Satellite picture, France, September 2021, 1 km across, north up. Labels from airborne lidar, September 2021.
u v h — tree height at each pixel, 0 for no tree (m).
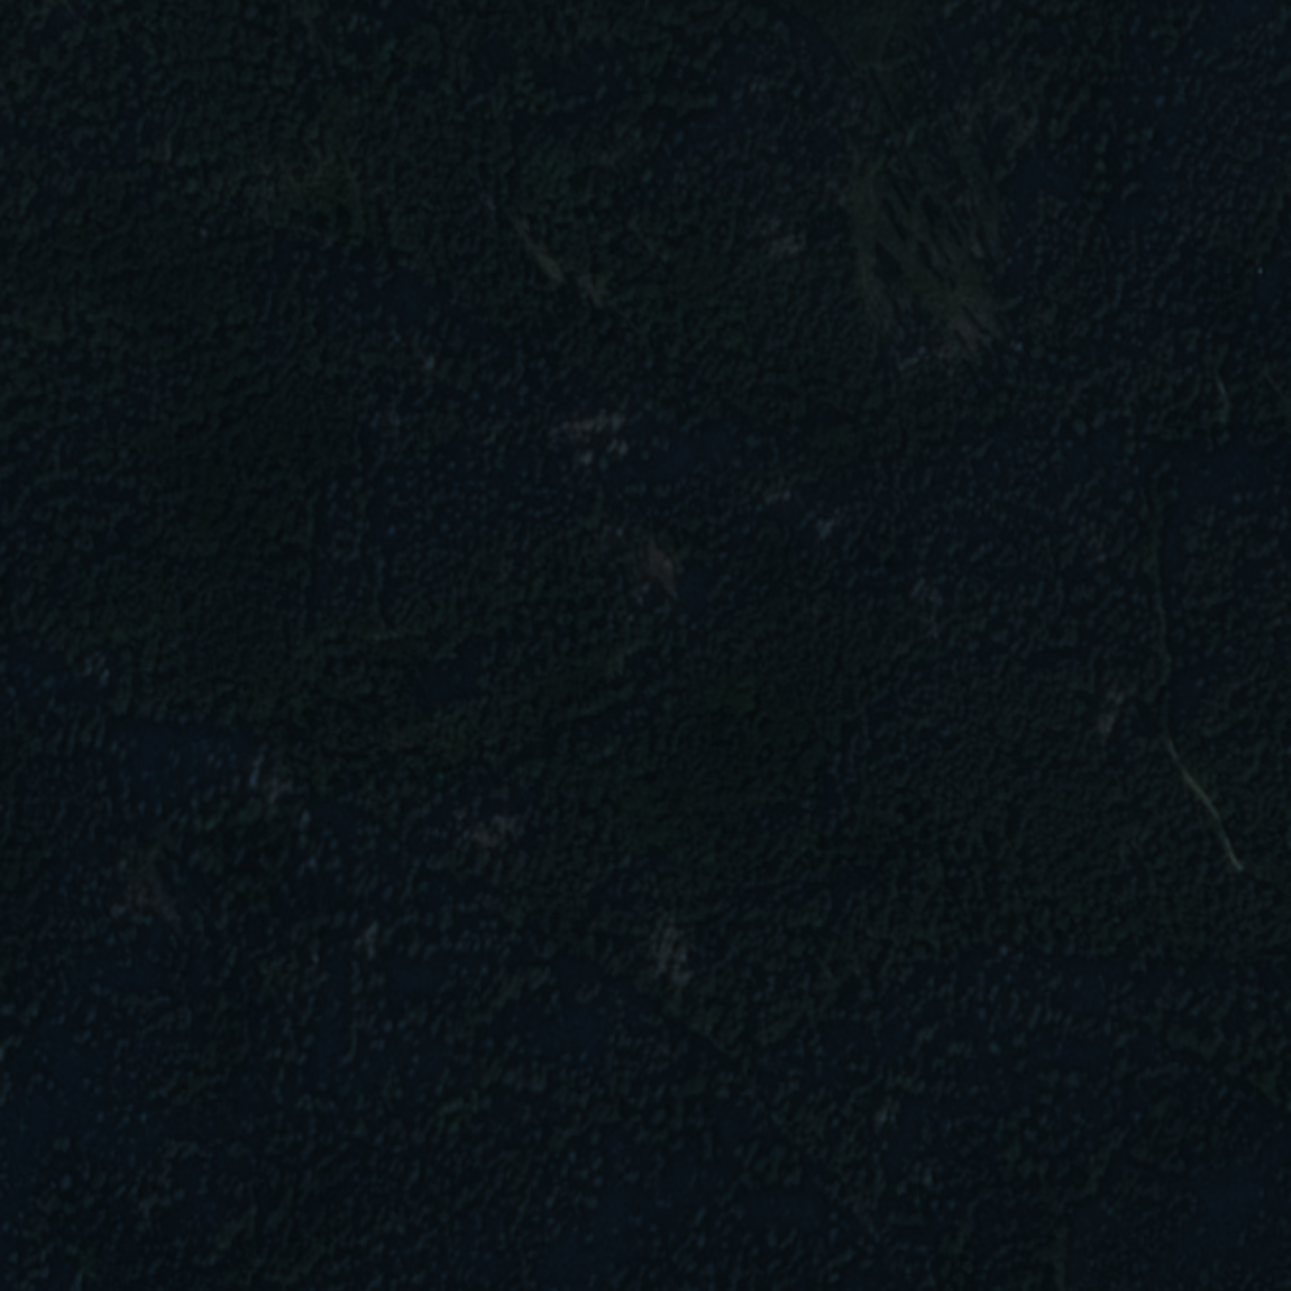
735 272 25
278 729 12
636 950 39
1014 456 38
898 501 35
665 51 24
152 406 32
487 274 26
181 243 30
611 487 0
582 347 26
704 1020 36
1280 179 34
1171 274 22
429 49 27
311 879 14
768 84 34
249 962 11
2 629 15
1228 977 34
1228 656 31
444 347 25
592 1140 25
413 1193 18
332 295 11
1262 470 24
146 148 29
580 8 25
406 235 19
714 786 30
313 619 33
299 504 26
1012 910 42
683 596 0
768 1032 39
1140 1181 17
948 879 40
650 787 33
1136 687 33
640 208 19
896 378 32
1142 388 37
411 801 25
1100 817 34
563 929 17
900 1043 16
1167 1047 21
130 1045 29
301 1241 26
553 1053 9
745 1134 24
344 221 14
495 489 13
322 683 11
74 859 30
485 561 39
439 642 23
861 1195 14
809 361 30
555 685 18
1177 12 27
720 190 28
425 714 10
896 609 29
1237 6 8
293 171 27
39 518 37
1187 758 15
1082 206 26
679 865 30
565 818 36
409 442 37
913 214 25
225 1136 18
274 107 21
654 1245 26
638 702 14
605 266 26
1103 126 11
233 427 30
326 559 8
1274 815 23
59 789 24
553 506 33
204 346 22
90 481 31
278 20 23
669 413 27
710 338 29
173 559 26
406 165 23
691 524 31
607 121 24
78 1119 15
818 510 26
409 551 38
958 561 9
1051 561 27
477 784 19
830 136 35
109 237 24
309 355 32
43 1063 24
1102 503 10
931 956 24
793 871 27
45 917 38
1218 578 30
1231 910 27
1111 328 20
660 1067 26
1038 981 37
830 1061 28
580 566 22
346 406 25
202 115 26
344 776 16
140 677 27
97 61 27
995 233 0
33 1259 35
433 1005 35
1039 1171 27
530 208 23
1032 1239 23
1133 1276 22
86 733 35
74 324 19
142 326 31
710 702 29
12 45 25
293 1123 8
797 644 33
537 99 23
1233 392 23
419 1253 31
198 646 30
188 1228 27
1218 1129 27
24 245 25
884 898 16
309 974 27
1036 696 34
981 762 33
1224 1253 19
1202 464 24
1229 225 32
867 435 27
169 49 33
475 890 26
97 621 25
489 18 10
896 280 30
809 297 22
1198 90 26
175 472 27
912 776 33
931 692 36
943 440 22
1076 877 28
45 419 26
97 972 9
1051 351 29
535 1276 22
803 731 25
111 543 30
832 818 26
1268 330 24
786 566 30
